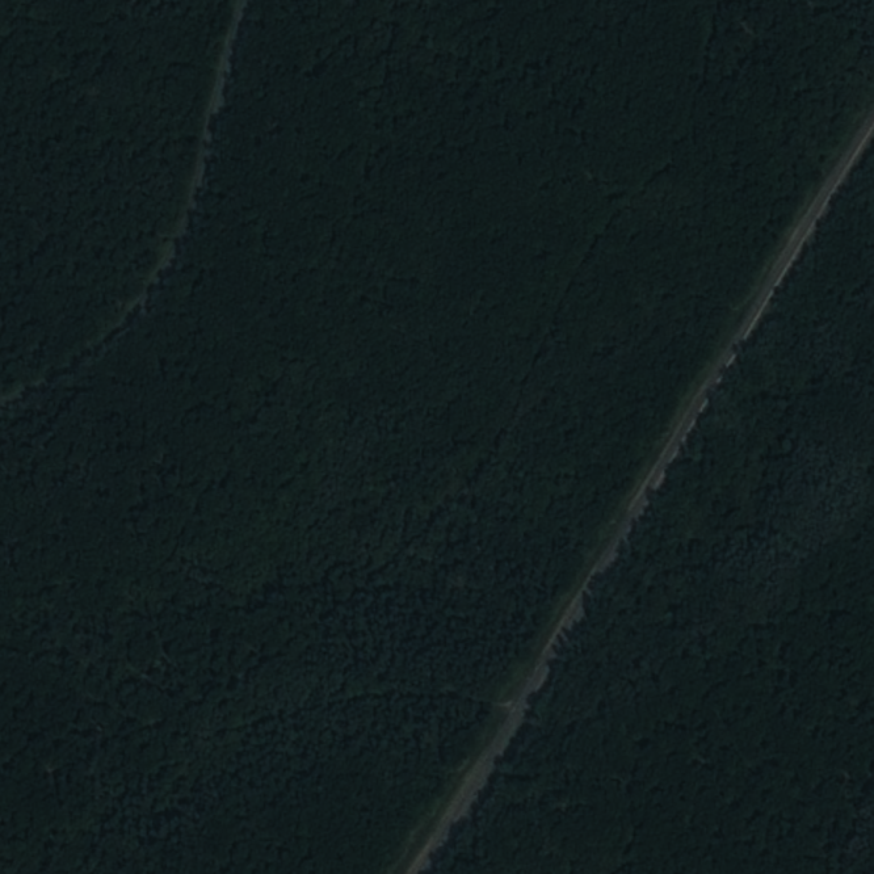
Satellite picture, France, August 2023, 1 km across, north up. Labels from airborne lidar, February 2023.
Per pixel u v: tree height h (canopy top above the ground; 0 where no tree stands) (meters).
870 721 24
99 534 25
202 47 23
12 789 24
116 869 18
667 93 23
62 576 24
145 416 21
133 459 21
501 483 17
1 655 19
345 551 26
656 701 22
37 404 20
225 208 25
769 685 23
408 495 21
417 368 25
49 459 20
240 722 19
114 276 22
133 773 23
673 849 24
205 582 26
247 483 23
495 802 24
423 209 18
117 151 25
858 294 9
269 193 24
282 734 30
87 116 23
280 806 26
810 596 22
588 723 17
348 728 23
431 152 24
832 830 14
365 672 23
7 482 26
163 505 22
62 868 25
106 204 23
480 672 21
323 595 11
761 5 9
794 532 20
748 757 25
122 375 25
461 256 20
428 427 26
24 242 20
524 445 23
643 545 23
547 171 23
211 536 21
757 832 25
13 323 26
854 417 23
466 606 24
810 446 24
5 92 25
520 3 24
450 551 20
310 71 24
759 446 25
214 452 20
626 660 20
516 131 20
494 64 26
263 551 20
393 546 21
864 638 19
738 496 21
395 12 18
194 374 15
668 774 24
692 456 23
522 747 20
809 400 28
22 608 26
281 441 22
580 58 24
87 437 27
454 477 21
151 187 23
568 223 22
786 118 21
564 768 24
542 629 19
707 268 19
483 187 24
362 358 22
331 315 23
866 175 18
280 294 27
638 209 15
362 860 22
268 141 24
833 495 17
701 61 23
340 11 27
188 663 28
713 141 25
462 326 21
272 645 20
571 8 24
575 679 22
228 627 27
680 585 22
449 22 25
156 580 25
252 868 24
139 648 27
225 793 31
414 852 0
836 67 24
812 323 25
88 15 21
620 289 24
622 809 19
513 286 22
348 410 21
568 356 29
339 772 20
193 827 25
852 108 22
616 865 13
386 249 23
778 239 17
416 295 20
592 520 19
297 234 25
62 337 20
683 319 22
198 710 22
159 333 26
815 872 21
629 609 27
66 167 21
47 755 27
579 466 20
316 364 16
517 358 19
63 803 14
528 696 0
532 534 19
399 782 20
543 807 15
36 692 27
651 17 23
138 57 22
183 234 0
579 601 0
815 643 21
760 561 23
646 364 18
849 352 30
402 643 28
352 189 20
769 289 0
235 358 27
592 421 21
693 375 24
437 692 19
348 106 22
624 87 23
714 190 23
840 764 25
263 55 27
